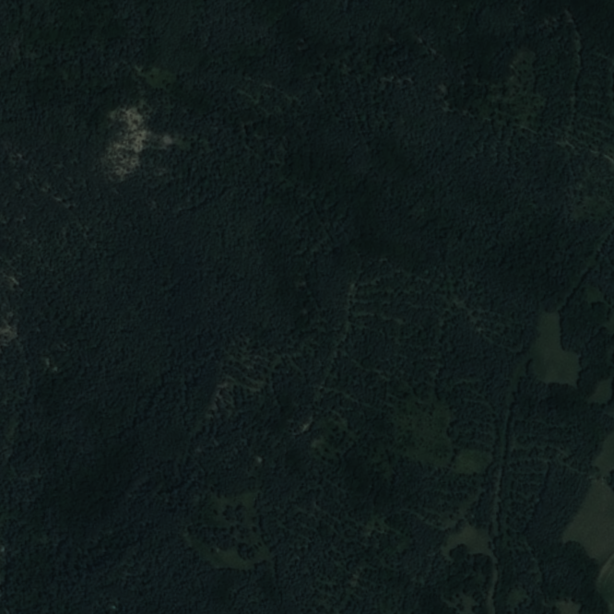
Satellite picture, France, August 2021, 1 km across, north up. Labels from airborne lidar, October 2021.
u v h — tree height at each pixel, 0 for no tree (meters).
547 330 0
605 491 0
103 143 14
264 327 13
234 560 0
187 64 23
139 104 7
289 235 13
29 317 14
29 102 20
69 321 20
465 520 7
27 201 19
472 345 17
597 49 14
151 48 20
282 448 12
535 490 16
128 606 19
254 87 27
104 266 23
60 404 22
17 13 21
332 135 19
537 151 17
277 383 13
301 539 14
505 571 12
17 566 23
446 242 24
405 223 20
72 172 20
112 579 12
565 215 14
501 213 12
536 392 12
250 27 14
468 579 11
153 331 30
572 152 14
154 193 15
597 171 7
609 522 0
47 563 15
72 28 7
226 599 15
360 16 30
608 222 6
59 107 15
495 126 15
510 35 28
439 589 16
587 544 0
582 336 18
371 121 20
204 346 24
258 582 11
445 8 15
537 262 14
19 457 18
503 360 15
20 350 8
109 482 22
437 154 15
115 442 23
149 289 26
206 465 21
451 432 11
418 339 16
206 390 19
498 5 21
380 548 9
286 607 17
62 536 21
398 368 18
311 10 24
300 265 18
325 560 17
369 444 17
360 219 20
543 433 20
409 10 15
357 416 13
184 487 21
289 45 18
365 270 16
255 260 21
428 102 26
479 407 14
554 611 16
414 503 14
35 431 9
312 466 15
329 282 19
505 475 14
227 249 24
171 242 22
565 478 17
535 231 10
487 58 24
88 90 12
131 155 11
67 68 10
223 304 15
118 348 24
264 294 27
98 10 13
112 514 21
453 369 16
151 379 23
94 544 17
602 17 23
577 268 17
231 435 24
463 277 16
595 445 8
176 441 27
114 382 18
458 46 18
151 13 22
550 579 23
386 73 12
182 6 27
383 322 12
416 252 14
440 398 17
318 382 11
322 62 24
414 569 12
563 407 11
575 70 18
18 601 13
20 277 17
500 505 10
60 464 18
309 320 15
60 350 13
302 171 11
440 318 15
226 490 26
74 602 14
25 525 10
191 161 15
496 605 11
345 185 15
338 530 16
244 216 21
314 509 19
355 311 15
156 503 23
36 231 19
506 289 17
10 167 27
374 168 16
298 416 13
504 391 15
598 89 14
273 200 21
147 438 28
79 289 17
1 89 13
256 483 19
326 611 17
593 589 12
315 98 19
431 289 18
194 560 13
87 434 20
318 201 20
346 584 20
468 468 0
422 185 10
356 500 13
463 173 16
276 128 17
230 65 18
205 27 10
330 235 19
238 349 13
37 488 24
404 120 9
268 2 17
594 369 15
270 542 18
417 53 20
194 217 21
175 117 16
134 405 20
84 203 23
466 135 16
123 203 24
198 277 23
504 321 15
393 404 15
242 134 25
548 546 21
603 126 17
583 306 21
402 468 17
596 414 14
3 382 13
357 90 12
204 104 13
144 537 25
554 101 21
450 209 21
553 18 21
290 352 20
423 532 14
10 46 17
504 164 17
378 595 12
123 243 25
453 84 14
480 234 19
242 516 15
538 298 15
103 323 20
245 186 15
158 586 13
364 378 13
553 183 14
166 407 22
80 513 19
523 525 15
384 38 16
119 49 15
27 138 22
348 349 15
